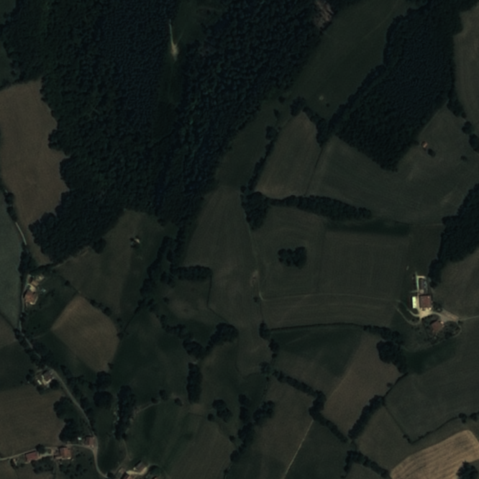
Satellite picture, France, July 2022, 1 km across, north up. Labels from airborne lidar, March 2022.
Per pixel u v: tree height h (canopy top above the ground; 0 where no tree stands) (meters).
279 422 0
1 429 0
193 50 18
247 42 29
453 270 0
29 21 23
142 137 29
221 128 27
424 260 0
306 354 0
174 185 25
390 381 0
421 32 18
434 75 16
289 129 0
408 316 0
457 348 0
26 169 0
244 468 0
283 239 0
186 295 0
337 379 0
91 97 27
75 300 0
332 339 0
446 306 0
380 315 0
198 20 29
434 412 0
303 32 31
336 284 0
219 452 0
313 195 0
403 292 0
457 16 9
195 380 23
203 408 0
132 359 0
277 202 11
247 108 29
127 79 32
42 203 0
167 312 0
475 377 0
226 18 19
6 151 0
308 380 0
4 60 0
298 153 0
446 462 0
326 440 0
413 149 0
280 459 0
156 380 0
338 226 0
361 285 0
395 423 0
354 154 0
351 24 0
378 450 0
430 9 21
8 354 0
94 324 0
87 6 22
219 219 0
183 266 0
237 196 0
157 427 0
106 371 0
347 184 0
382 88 16
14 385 0
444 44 13
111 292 0
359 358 0
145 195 24
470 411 0
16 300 0
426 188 0
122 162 23
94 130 31
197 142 25
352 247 0
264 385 0
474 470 16
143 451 0
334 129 20
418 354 0
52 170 0
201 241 0
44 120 0
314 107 0
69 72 28
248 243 0
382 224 0
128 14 33
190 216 30
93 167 25
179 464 0
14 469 7
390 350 24
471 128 19
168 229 0
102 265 0
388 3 0
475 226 12
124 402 25
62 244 23
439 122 0
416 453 0
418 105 18
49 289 0
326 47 0
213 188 9
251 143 0
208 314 0
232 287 0
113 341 0
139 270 0
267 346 0
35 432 0
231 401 0
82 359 0
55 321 0
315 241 0
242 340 0
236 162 0
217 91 33
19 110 0
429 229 0
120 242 0
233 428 0
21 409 0
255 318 0
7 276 0
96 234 20
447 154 0
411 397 0
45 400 0
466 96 0
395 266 0
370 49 0
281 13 28
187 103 23
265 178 0
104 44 27
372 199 0
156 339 0
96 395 0
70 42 29
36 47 20
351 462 14
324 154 0
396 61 17
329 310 0
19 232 0
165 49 27
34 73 19
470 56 0
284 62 32
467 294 0
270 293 0
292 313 0
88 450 0
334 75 0
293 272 0
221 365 0
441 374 0
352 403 0
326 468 0
